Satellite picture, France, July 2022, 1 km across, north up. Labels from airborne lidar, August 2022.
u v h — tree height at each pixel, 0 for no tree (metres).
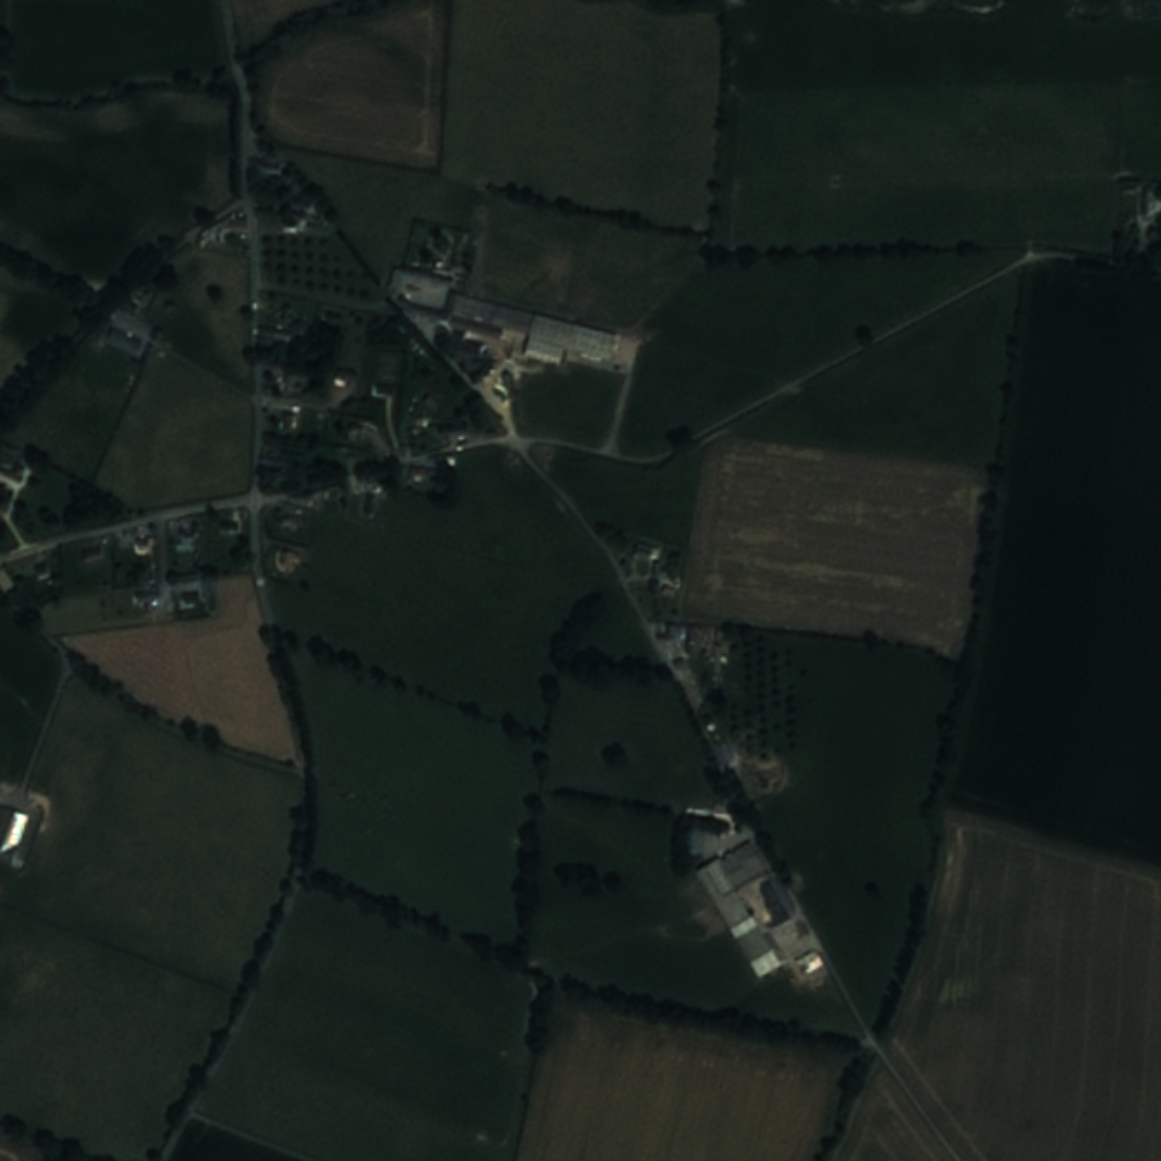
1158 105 0
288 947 0
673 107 0
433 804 0
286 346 8
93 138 0
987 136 0
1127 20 0
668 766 0
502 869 0
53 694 0
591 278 0
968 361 0
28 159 0
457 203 0
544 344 0
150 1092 0
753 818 14
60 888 0
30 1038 0
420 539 0
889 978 0
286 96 0
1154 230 9
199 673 0
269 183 6
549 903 0
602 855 0
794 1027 13
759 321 0
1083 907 0
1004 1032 0
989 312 0
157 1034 0
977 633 14
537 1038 20
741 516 0
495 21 0
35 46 0
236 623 0
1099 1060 0
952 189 0
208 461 0
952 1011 0
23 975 0
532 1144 0
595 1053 0
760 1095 0
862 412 0
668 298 0
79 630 0
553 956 0
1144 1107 0
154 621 0
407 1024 0
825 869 0
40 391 23
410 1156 0
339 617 0
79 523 12
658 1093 0
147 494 0
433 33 0
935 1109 0
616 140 0
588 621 16
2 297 0
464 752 0
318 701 0
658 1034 0
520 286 0
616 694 0
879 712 0
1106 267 11
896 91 0
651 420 0
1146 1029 0
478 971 0
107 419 0
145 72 0
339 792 0
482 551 0
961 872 0
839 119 0
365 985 0
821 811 0
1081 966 0
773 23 0
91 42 0
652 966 0
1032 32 0
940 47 0
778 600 0
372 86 0
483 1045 0
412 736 0
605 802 11
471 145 0
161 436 0
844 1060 0
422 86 0
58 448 0
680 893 0
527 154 0
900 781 0
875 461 0
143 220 0
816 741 0
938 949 0
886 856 0
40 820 0
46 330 0
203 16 0
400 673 0
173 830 0
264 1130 0
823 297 0
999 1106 0
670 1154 0
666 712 0
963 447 0
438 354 10
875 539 0
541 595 0
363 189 0
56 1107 0
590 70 0
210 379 0
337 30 0
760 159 0
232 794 0
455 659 0
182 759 0
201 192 0
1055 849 0
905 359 0
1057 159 0
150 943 0
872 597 0
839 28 0
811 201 0
